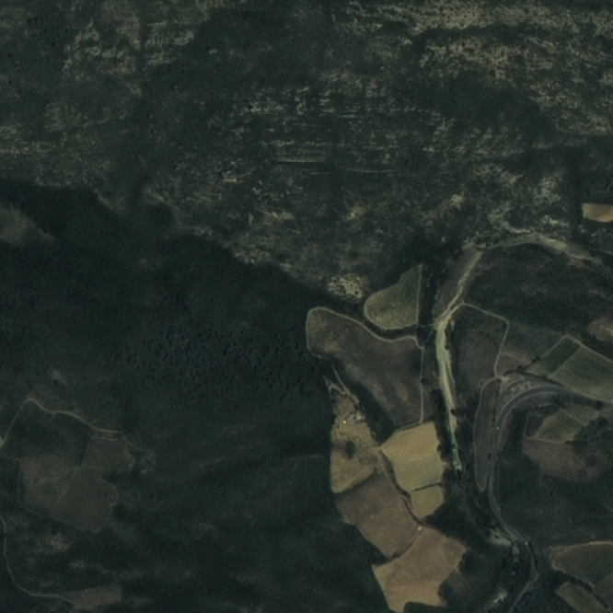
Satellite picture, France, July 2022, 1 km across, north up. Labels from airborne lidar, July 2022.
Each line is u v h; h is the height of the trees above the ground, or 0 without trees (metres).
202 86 0
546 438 0
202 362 10
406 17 8
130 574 0
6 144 0
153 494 7
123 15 0
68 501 0
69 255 6
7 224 0
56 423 0
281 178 0
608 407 0
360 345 0
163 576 0
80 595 0
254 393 6
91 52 0
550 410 10
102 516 0
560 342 0
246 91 0
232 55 0
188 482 6
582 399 8
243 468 7
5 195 14
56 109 0
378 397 0
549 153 6
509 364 0
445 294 0
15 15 0
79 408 0
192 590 7
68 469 0
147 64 0
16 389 0
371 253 0
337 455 0
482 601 8
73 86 0
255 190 0
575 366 0
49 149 0
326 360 6
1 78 0
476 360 0
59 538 0
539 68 0
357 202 0
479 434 0
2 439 0
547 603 9
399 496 0
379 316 0
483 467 0
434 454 0
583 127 0
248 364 13
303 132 0
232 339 15
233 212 0
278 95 0
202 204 0
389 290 0
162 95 0
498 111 0
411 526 0
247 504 0
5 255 6
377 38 0
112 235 7
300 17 0
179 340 12
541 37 9
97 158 0
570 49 0
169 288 10
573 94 0
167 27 0
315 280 0
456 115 0
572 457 0
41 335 9
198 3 0
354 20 0
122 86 0
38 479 0
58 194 9
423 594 0
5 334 9
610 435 9
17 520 0
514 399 0
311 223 0
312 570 6
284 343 10
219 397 8
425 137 0
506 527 0
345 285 0
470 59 0
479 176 6
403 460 0
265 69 0
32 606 6
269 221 0
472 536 6
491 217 0
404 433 0
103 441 0
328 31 0
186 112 0
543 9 0
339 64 0
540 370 0
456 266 0
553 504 0
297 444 7
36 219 7
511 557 8
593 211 0
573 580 11
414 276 0
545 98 0
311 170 9
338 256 0
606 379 0
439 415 8
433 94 0
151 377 8
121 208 0
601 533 0
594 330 0
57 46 8
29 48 0
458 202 0
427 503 0
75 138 0
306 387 15
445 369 0
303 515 5
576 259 0
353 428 0
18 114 0
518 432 6
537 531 0
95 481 0
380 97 0
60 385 11
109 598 0
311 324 0
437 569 0
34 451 0
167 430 0
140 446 0
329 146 0
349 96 0
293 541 0
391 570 0
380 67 0
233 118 0
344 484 0
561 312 6
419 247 9
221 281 7
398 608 0
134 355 9
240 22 0
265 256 0
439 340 0
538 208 11
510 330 0
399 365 0
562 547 0
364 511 0
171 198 0
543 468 0
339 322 0
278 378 10
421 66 0
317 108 0
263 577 0
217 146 0
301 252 0
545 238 0
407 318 0
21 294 8
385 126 0
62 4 0
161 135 0
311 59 0
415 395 0
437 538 0
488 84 0
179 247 7
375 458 0
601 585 0
